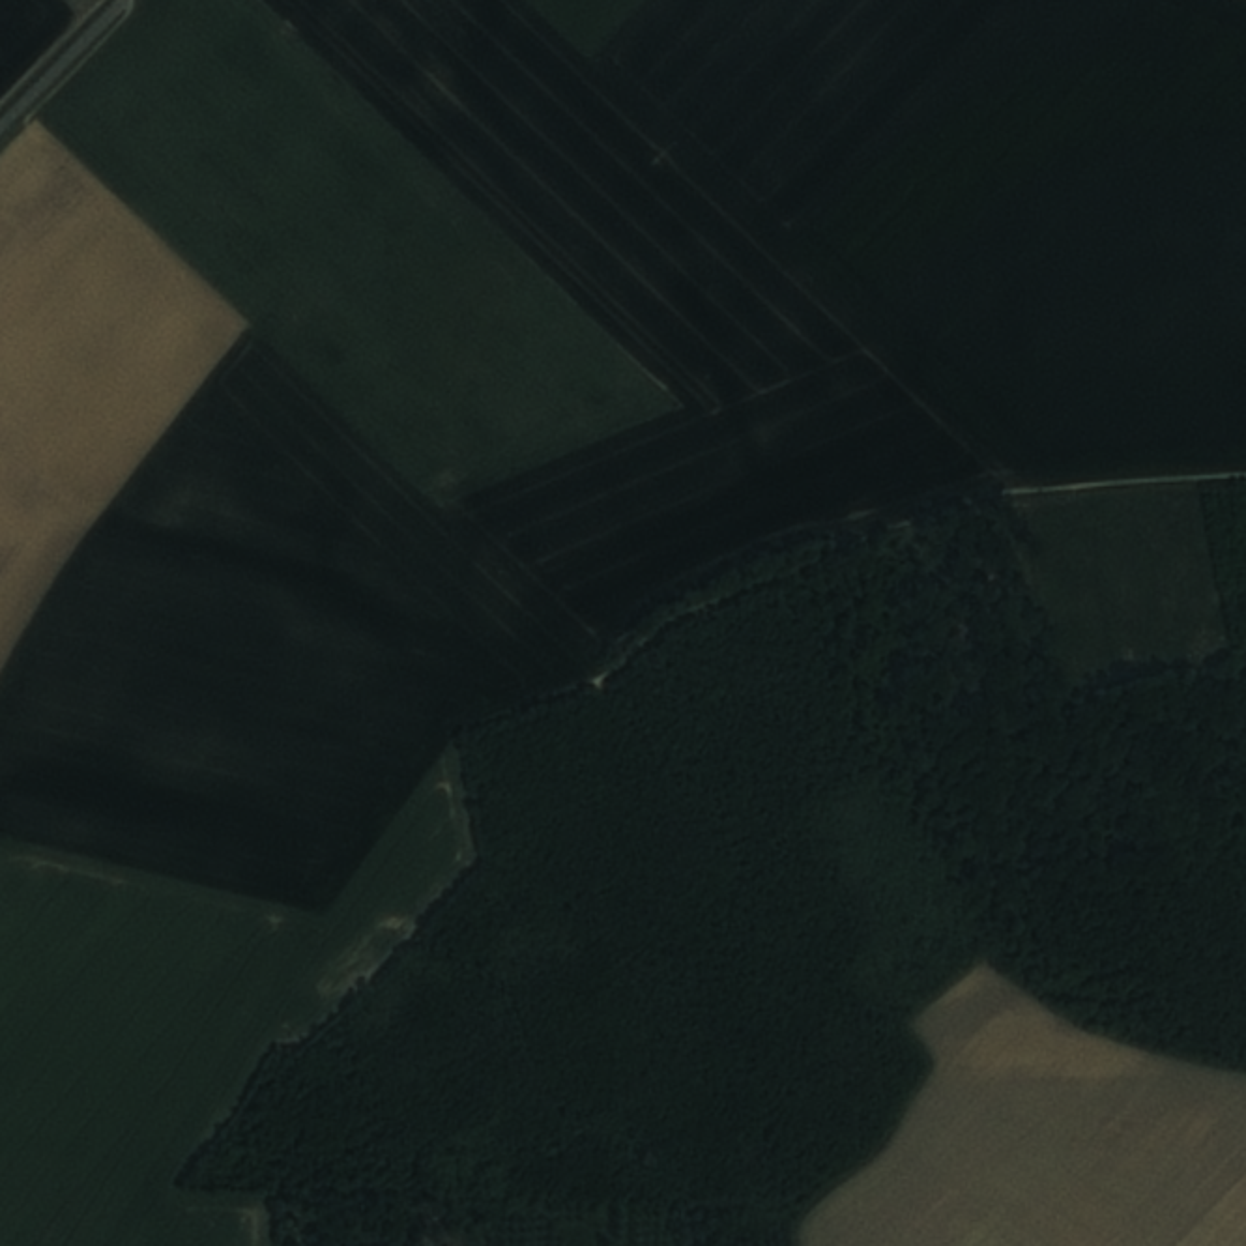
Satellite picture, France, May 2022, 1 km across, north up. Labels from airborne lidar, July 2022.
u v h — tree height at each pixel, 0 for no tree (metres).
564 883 15
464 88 0
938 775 20
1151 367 0
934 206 0
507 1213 24
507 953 17
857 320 0
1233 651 7
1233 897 14
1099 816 27
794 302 0
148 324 0
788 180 0
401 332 0
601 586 0
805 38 0
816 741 15
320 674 0
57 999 0
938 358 0
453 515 0
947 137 0
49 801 0
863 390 0
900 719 32
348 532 0
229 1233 0
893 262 0
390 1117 15
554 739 14
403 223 0
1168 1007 14
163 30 0
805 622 16
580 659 0
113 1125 0
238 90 0
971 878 28
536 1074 16
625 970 12
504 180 0
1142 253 0
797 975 15
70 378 0
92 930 0
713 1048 14
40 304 0
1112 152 0
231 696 0
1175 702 26
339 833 0
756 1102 15
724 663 15
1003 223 0
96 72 0
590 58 0
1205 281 0
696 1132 13
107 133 0
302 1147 16
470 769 16
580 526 0
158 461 0
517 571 0
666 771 14
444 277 0
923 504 0
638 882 16
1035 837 24
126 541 0
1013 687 30
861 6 0
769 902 15
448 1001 16
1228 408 0
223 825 0
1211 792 23
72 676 0
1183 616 0
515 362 0
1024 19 0
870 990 17
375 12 0
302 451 0
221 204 0
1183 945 13
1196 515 0
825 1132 14
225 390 0
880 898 21
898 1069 14
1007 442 0
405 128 0
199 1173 16
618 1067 15
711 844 16
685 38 0
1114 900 20
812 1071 14
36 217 0
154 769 0
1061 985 22
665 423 0
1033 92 0
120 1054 0
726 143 0
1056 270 0
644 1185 19
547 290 0
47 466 0
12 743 0
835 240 0
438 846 0
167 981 0
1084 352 0
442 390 0
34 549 0
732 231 0
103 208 0
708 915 15
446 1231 26
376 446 0
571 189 0
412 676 0
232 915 0
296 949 0
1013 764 25
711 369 0
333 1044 17
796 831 13
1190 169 0
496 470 0
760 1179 15
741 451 0
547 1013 13
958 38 0
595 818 15
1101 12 0
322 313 0
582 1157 16
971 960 20
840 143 0
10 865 0
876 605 11
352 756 0
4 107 0
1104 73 0
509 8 0
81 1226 0
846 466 0
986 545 27
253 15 0
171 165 0
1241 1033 15
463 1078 16
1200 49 0
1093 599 0
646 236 0
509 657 0
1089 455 0
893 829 24
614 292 0
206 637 0
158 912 0
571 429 0
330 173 0
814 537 14
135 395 0
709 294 0
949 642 25
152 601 0
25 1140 0
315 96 0
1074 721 28
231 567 0
